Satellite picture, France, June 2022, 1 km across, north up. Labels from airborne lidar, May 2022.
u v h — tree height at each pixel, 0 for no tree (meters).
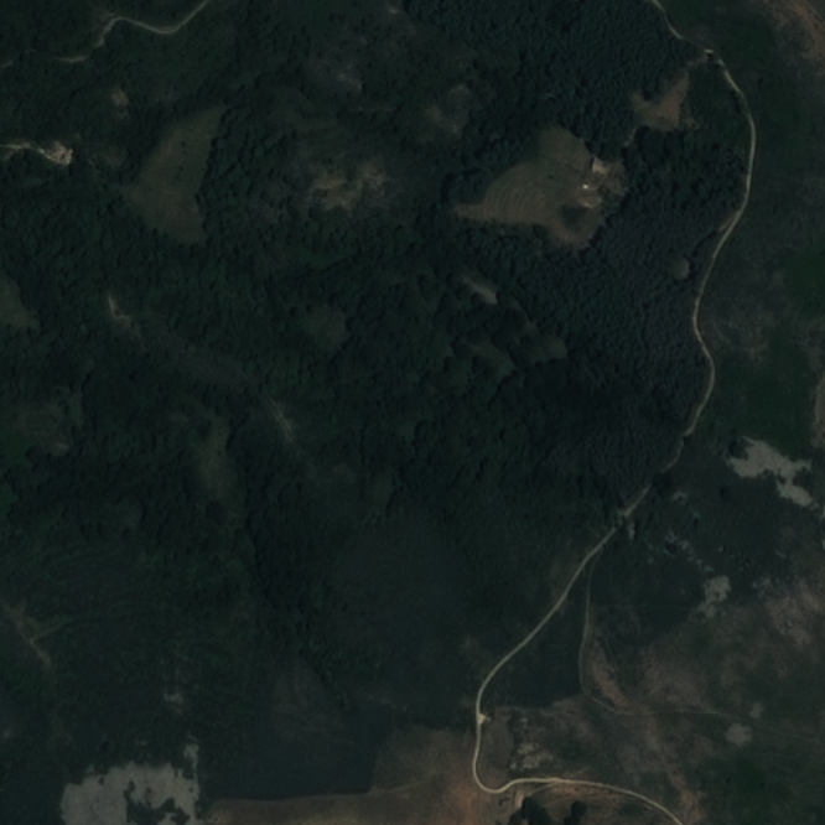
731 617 0
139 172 8
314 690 0
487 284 0
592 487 7
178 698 0
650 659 0
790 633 0
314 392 13
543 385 19
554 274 30
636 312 25
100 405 15
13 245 11
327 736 0
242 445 22
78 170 23
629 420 22
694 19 0
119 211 24
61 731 0
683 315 18
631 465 21
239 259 10
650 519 7
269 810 0
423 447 21
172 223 0
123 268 9
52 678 0
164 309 6
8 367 8
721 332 0
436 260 19
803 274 0
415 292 11
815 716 0
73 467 18
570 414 19
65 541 6
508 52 32
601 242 20
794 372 0
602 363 26
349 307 15
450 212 16
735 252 0
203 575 8
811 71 0
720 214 21
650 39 31
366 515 6
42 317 16
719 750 0
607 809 0
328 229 8
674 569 0
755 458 0
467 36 33
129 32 14
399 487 5
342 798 0
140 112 19
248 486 9
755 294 0
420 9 26
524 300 20
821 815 0
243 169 16
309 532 8
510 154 31
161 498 15
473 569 8
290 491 8
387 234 17
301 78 18
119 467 11
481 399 15
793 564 0
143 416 16
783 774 0
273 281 22
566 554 0
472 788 0
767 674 0
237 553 11
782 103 0
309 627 13
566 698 0
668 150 26
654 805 0
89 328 17
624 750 0
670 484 15
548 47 35
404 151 11
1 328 15
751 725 0
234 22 9
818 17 0
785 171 0
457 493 17
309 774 0
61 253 10
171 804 0
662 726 0
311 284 24
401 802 0
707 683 0
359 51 8
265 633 6
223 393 11
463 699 0
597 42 39
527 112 29
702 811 0
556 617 0
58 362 17
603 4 31
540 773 0
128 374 21
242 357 6
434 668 0
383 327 17
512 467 10
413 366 9
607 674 0
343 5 0
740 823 0
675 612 0
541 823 21
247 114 11
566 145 0
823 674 0
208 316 6
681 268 0
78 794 0
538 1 35
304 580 8
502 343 21
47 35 16
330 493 0
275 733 0
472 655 0
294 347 19
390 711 0
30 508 11
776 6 0
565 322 30
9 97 13
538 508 6
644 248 22
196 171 0
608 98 30
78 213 9
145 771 0
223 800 0
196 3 12
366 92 13
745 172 20
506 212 0
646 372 24
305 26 8
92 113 7
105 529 9
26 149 9
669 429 19
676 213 24
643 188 19
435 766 0
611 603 0
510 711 0
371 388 9
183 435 7
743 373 0
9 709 0
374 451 22
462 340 14
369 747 0
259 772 0
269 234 9
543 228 14
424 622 0
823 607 0
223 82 19
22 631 0
